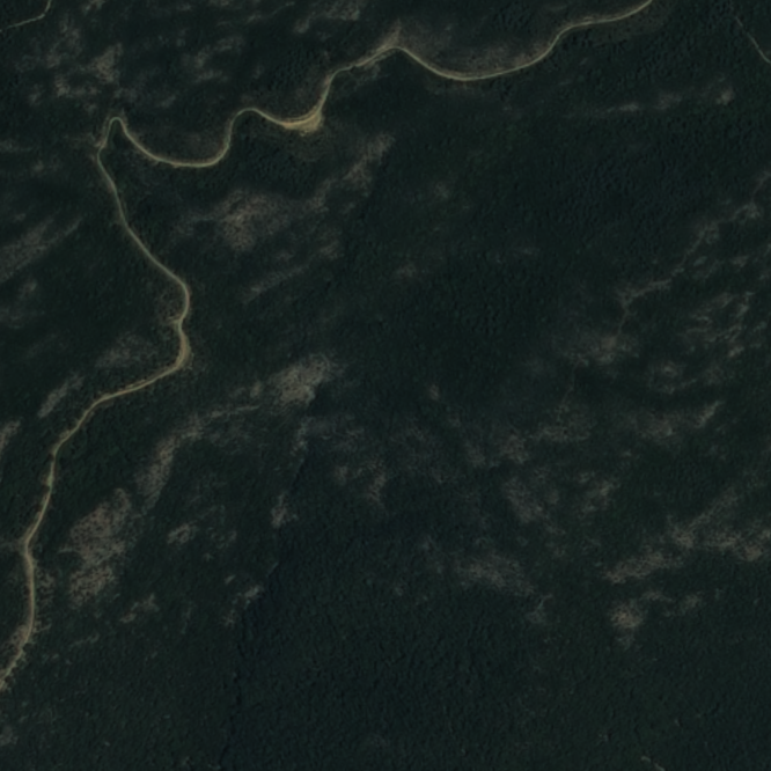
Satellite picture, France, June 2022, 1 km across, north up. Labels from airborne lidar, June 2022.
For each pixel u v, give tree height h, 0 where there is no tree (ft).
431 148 37
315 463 37
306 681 41
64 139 26
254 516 35
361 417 20
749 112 31
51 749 26
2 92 49
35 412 26
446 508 38
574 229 34
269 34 17
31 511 24
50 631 21
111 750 40
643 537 18
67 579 24
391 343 19
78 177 19
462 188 29
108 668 34
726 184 27
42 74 17
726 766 34
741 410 18
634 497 26
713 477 22
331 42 19
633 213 34
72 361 20
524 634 25
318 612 39
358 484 17
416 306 24
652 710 40
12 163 18
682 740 38
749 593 34
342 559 21
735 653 24
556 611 23
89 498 41
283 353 22
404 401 22
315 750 33
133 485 20
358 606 39
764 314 19
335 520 55
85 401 40
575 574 22
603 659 50
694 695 33
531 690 25
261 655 49
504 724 22
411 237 19
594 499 20
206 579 49
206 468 32
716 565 35
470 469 26
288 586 46
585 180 34
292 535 42
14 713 31
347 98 17
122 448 21
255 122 34
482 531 23
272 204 0
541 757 34
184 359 0
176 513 36
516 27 36
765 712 25
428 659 36
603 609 28
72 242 17
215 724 42
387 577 28
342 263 29
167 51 18
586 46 66
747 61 18
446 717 27
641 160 35
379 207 21
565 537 27
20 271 17
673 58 39
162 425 26
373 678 45
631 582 22
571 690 32
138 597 22
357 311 18
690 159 43
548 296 23
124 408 36
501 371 22
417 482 28
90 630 20
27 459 47
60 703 33
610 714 40
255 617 27
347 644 45
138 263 35
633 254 32
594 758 48
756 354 23
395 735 20
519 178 17
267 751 51
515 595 21
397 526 42
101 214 23
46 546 20
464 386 20
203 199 27
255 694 56
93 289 20
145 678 36
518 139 25
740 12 27
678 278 24
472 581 26
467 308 36
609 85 18
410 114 19
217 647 38
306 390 0
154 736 39
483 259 22
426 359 23
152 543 37
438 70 0
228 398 26
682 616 26
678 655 29
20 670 28
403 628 42
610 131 33
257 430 35
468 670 43
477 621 35
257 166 41
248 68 20
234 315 25
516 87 51
